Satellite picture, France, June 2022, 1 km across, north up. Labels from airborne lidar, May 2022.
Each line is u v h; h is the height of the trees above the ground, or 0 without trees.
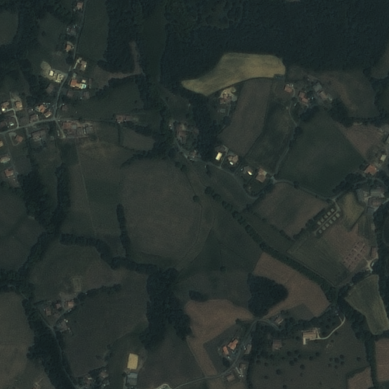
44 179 0
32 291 12
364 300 0
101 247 23
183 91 17
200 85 0
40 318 8
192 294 13
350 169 0
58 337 15
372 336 21
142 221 0
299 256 0
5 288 17
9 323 0
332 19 24
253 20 23
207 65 14
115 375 0
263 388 0
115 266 18
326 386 0
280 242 0
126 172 0
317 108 15
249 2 15
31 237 0
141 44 25
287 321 11
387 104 0
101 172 0
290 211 0
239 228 0
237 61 0
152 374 0
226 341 0
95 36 0
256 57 0
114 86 17
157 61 0
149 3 21
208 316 0
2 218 0
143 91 18
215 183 0
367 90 0
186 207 0
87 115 0
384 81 20
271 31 30
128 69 25
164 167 0
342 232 0
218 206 0
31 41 26
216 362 0
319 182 0
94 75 0
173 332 0
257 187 0
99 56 0
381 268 16
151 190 0
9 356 0
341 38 24
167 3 5
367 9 25
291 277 0
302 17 25
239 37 30
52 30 0
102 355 0
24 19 23
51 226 29
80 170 0
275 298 18
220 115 0
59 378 22
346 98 0
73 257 0
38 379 0
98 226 0
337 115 11
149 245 0
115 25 22
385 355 0
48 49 0
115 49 23
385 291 13
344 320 0
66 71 0
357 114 0
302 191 0
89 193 0
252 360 17
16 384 0
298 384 0
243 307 0
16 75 8
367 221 0
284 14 25
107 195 0
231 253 0
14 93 0
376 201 0
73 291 0
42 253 10
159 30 0
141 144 0
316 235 0
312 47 23
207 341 0
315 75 0
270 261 0
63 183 28
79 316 0
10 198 0
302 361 0
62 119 0
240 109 0
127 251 8
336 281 0
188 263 0
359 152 0
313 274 21
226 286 0
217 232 0
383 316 0
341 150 0
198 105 20
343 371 0
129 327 0
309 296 0
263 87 0
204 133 26
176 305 22
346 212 0
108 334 0
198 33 25
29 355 18
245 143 0
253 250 0
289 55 28
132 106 0
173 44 20
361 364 0
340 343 0
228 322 0
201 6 20
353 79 0
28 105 8
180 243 0
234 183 0
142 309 0
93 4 0
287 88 0
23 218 0
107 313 0
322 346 0
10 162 0
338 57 26
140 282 0
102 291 7
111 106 0
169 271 13
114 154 0
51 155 0
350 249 0
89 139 0
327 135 0
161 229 0
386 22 25
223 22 12
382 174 8
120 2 31
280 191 0
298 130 15
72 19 11
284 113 0
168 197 0
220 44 26
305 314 0
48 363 21
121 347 0
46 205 25
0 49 20
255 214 6
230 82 0
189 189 0
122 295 0
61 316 0
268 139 0
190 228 0
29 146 7
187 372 0
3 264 0
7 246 0
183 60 25
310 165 0
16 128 0
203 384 0
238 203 0
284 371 0
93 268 0
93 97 6
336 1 24
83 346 0
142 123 0
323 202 0
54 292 0
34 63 0
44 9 12
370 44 24
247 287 0
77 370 0
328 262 0
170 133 22
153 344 10
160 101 22
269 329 15
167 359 0
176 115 0
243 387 0
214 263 0
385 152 7
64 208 27
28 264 19
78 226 0
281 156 0
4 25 0
